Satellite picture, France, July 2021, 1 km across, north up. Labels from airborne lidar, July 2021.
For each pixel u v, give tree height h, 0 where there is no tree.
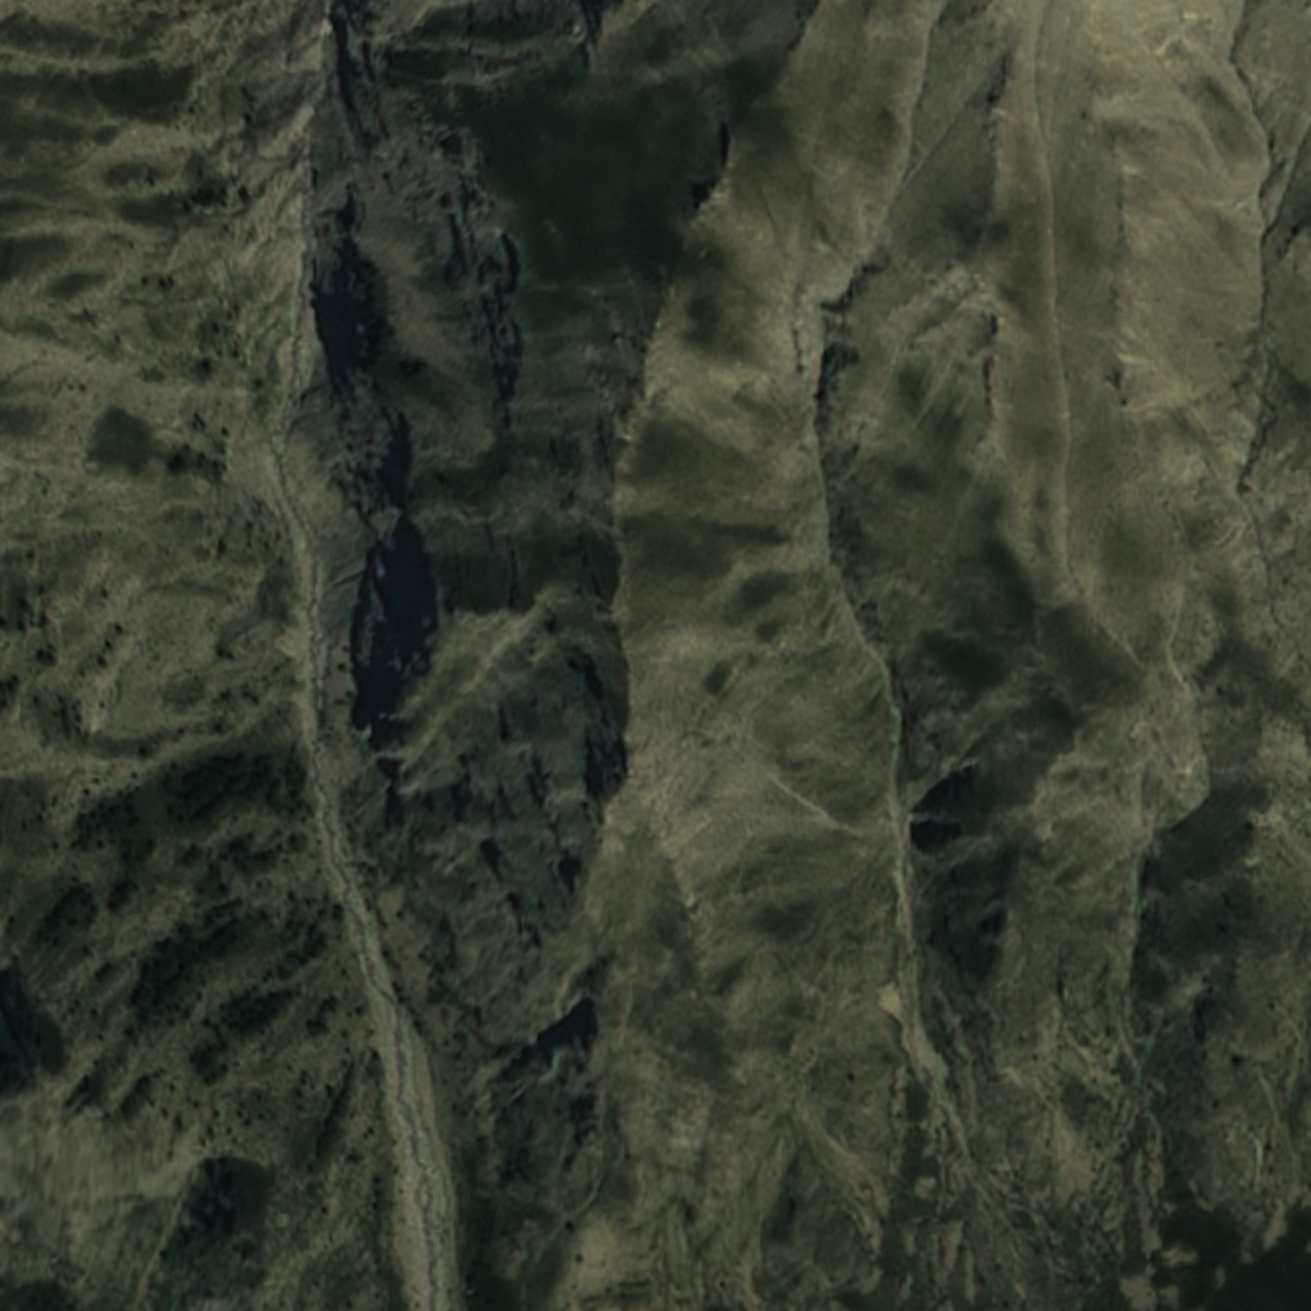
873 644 0
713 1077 0
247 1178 0
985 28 0
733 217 0
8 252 0
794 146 0
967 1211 0
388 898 0
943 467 0
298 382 0
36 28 0
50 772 0
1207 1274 0
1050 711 0
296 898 10
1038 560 0
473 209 0
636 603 0
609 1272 0
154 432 0
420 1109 0
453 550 0
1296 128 0
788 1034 0
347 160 0
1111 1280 0
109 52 0
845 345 0
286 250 0
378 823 0
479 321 0
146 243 0
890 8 0
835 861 0
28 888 0
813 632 0
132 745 0
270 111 0
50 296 0
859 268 0
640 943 0
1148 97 0
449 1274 0
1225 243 0
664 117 0
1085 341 0
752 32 0
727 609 0
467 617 0
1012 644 0
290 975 8
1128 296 0
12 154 0
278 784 11
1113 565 0
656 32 0
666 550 0
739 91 0
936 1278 0
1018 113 0
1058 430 0
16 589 0
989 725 0
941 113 0
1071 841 0
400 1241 0
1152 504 0
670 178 0
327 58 0
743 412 0
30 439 0
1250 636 0
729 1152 0
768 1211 0
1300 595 0
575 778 0
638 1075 0
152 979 11
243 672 0
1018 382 0
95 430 0
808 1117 0
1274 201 0
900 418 0
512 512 0
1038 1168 0
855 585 0
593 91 0
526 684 0
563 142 0
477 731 0
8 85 0
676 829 0
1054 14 0
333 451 0
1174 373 0
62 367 0
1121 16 0
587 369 0
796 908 0
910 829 0
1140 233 0
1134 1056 0
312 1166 6
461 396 0
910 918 0
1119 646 0
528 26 0
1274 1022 0
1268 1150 7
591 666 0
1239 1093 0
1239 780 0
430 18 0
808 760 0
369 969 0
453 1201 0
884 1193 0
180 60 0
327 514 0
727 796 0
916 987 0
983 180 0
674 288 0
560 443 0
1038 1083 0
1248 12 0
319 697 0
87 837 6
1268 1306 0
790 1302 0
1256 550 0
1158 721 0
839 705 0
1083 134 0
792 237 0
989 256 0
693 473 0
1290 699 0
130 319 0
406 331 0
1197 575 0
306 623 0
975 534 0
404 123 0
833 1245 0
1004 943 0
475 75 0
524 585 0
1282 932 0
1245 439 0
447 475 0
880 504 0
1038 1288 0
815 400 0
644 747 0
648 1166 0
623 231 0
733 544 0
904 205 0
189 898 0
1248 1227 0
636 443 0
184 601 0
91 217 0
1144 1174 0
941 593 0
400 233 0
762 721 0
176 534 0
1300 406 0
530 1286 0
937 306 0
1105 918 0
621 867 0
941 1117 0
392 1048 0
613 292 0
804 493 0
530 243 0
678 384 0
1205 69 0
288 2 0
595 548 0
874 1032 0
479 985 0
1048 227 0
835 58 0
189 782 11
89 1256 0
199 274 0
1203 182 0
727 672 0
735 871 0
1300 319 0
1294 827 0
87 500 0
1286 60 0
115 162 0
